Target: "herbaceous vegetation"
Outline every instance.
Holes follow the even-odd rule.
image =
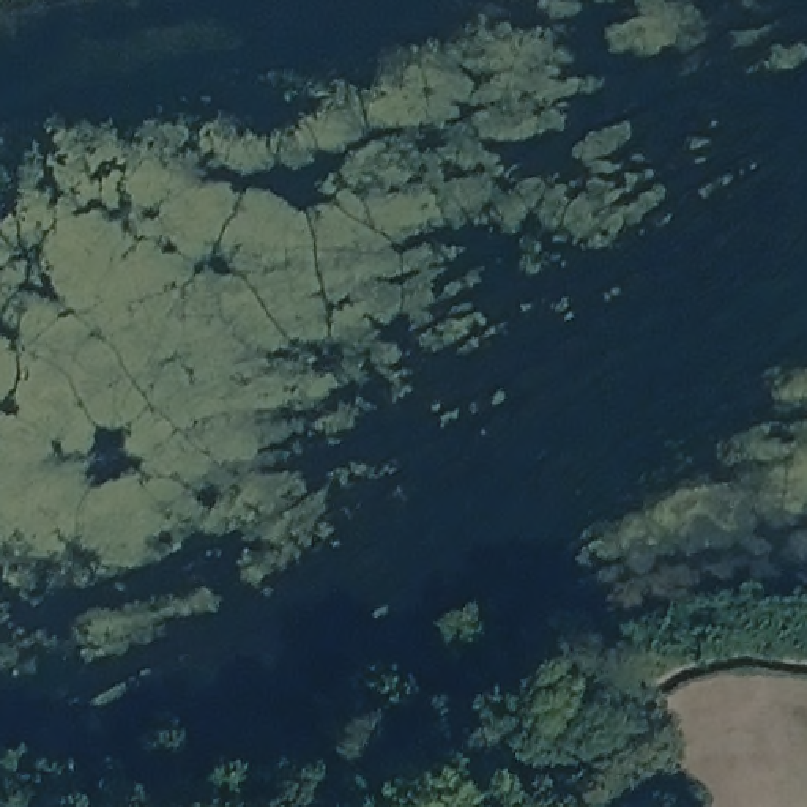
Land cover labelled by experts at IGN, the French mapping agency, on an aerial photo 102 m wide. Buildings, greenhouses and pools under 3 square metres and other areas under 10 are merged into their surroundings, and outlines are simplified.
[[[189,596],[151,596],[117,612],[95,608],[79,615],[73,627],[60,637],[50,637],[44,630],[32,634],[19,627],[9,618],[9,608],[0,602],[0,671],[13,678],[35,675],[38,662],[50,653],[63,659],[120,656],[129,646],[183,634],[189,624],[186,615],[218,612],[218,596],[211,589],[195,589]]]
[[[252,583],[258,596],[271,596],[268,574],[284,571],[290,561],[299,561],[303,555],[309,555],[312,539],[325,539],[331,533],[325,501],[334,492],[350,485],[350,479],[356,476],[385,479],[397,473],[397,463],[347,463],[340,470],[328,470],[325,485],[318,492],[309,492],[299,473],[262,476],[255,467],[299,457],[303,438],[315,432],[325,432],[328,444],[340,444],[340,435],[356,426],[359,416],[372,413],[372,404],[359,397],[344,404],[334,391],[340,385],[385,378],[391,381],[394,404],[400,404],[410,394],[407,378],[400,378],[397,372],[400,347],[385,344],[372,325],[391,322],[394,315],[407,315],[410,337],[419,337],[419,344],[429,350],[448,347],[451,353],[473,353],[479,347],[489,347],[492,337],[504,334],[504,322],[489,322],[473,303],[460,303],[457,296],[460,290],[479,284],[476,271],[432,293],[432,281],[448,268],[448,262],[457,258],[457,249],[438,246],[432,230],[501,224],[501,230],[511,233],[520,246],[520,271],[539,274],[545,268],[564,268],[577,246],[615,246],[621,227],[634,227],[649,208],[656,208],[665,199],[665,189],[659,186],[643,192],[634,205],[612,211],[612,202],[630,192],[637,180],[653,180],[649,167],[627,173],[621,186],[605,183],[605,173],[615,170],[612,151],[630,139],[630,123],[615,123],[599,132],[589,132],[574,148],[574,154],[589,167],[586,192],[580,199],[567,199],[564,186],[555,186],[539,177],[523,180],[511,192],[492,186],[495,177],[501,177],[504,164],[498,161],[498,154],[485,151],[485,139],[517,142],[539,132],[564,129],[567,98],[602,88],[602,79],[593,76],[558,82],[558,69],[571,63],[571,54],[564,47],[555,47],[555,41],[567,35],[574,22],[571,16],[577,16],[580,6],[589,0],[530,0],[539,9],[545,9],[536,28],[514,28],[504,9],[485,3],[476,22],[467,22],[451,41],[426,41],[385,50],[378,57],[378,82],[372,88],[356,88],[344,79],[318,82],[312,88],[312,98],[318,98],[322,104],[318,113],[303,117],[299,126],[284,126],[271,136],[240,136],[233,117],[211,120],[202,129],[189,129],[186,123],[145,120],[139,126],[136,145],[123,145],[113,129],[91,123],[60,129],[54,136],[57,148],[50,154],[41,154],[38,145],[25,151],[16,211],[0,221],[0,574],[9,586],[19,589],[19,599],[25,599],[28,589],[35,589],[38,561],[50,555],[57,567],[47,577],[47,586],[54,593],[66,586],[95,586],[101,580],[107,589],[120,593],[126,589],[123,574],[129,567],[170,558],[195,533],[236,530],[243,533],[243,539],[274,542],[271,552],[243,552],[240,558],[243,580]],[[337,151],[344,167],[337,173],[328,173],[328,180],[322,183],[325,202],[303,211],[271,192],[233,192],[227,183],[205,183],[199,173],[199,158],[205,151],[214,151],[221,167],[252,173],[268,170],[274,164],[312,164],[315,151],[322,148]],[[113,482],[95,485],[88,479],[88,467],[104,463],[101,454],[91,448],[98,429],[123,429],[126,454],[139,457],[142,467]]]
[[[709,807],[807,807],[807,678],[769,671],[725,671],[690,681],[668,697],[668,712],[675,716],[684,734],[684,772],[709,791]]]
[[[684,50],[706,41],[706,19],[694,6],[697,0],[637,0],[637,19],[612,25],[608,47],[643,57],[659,54],[662,47]]]
[[[668,498],[662,498],[653,511],[630,514],[618,523],[593,523],[580,533],[583,545],[577,555],[583,571],[605,583],[618,580],[627,571],[649,571],[653,561],[662,555],[694,555],[703,549],[725,545],[738,545],[750,555],[807,558],[807,369],[772,366],[763,372],[763,385],[772,391],[775,407],[760,426],[722,438],[716,444],[716,457],[731,467],[731,482],[678,489]]]
[[[807,60],[807,44],[775,47],[772,57],[766,57],[766,69],[794,69]]]

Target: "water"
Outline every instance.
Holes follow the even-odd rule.
[[[296,760],[303,769],[315,766],[328,747],[337,747],[347,738],[347,725],[353,722],[353,716],[340,703],[340,697],[353,690],[353,675],[366,671],[369,665],[385,665],[391,675],[410,678],[416,684],[413,697],[407,703],[397,703],[391,716],[381,722],[381,744],[394,753],[448,750],[451,757],[457,757],[460,744],[470,741],[476,728],[482,728],[473,709],[476,697],[489,697],[492,690],[517,694],[523,678],[539,675],[539,665],[558,659],[561,643],[577,643],[583,630],[602,634],[605,640],[621,640],[621,627],[630,621],[665,615],[678,602],[687,602],[694,596],[712,596],[722,589],[738,589],[741,583],[760,583],[769,596],[807,596],[807,558],[750,555],[738,545],[725,545],[703,549],[694,555],[662,555],[653,561],[649,571],[627,571],[618,580],[605,583],[583,571],[577,555],[583,545],[580,533],[593,523],[618,523],[630,514],[653,511],[662,498],[668,498],[678,489],[731,482],[731,467],[716,457],[716,444],[722,438],[760,426],[775,407],[772,391],[763,385],[763,372],[772,366],[807,369],[807,60],[794,69],[766,69],[766,57],[772,57],[775,47],[807,44],[807,0],[697,0],[694,6],[706,19],[706,41],[684,50],[662,47],[659,54],[643,57],[608,47],[612,25],[637,19],[637,0],[589,0],[580,6],[577,16],[571,16],[574,22],[567,35],[555,41],[555,47],[564,47],[571,54],[571,63],[558,69],[558,82],[593,76],[602,79],[602,88],[567,98],[564,129],[539,132],[517,142],[485,139],[485,151],[498,154],[498,161],[504,164],[501,177],[495,177],[492,186],[511,192],[523,180],[539,177],[555,186],[564,186],[567,199],[580,199],[586,192],[589,167],[574,154],[574,148],[589,132],[599,132],[615,123],[630,123],[630,139],[612,151],[615,170],[605,173],[605,183],[621,186],[627,173],[649,167],[653,180],[637,180],[630,192],[612,202],[612,211],[634,205],[643,192],[659,186],[665,189],[665,199],[656,208],[649,208],[634,227],[621,227],[615,246],[577,246],[564,268],[545,268],[539,274],[520,271],[520,246],[511,233],[501,230],[501,224],[432,230],[438,246],[457,249],[457,258],[448,262],[448,268],[432,281],[432,293],[476,271],[479,284],[460,290],[457,296],[460,303],[473,303],[489,322],[504,322],[504,334],[492,337],[489,347],[479,347],[473,353],[451,353],[448,347],[429,350],[419,344],[419,337],[410,337],[407,315],[394,315],[391,322],[372,325],[385,344],[400,347],[397,372],[400,378],[407,378],[410,394],[400,404],[394,404],[391,381],[385,378],[340,385],[334,391],[344,404],[359,397],[372,404],[372,413],[359,416],[356,426],[340,435],[340,444],[328,444],[325,432],[315,432],[303,438],[299,457],[255,467],[262,476],[299,473],[309,492],[318,492],[325,485],[328,470],[340,470],[347,463],[397,463],[397,473],[385,479],[356,476],[350,479],[350,485],[334,492],[325,501],[331,533],[325,539],[312,539],[309,555],[303,555],[299,561],[290,561],[284,571],[268,574],[271,596],[258,596],[252,583],[243,580],[240,558],[243,552],[271,552],[274,542],[243,539],[243,533],[236,530],[195,533],[170,558],[129,567],[123,574],[126,589],[120,593],[107,589],[101,580],[95,586],[66,586],[54,593],[47,586],[47,577],[57,567],[50,555],[38,561],[35,589],[28,589],[25,599],[19,599],[19,589],[9,586],[0,574],[0,602],[9,608],[9,618],[19,627],[32,634],[44,630],[50,637],[60,637],[73,627],[79,615],[95,608],[117,612],[151,596],[189,596],[195,589],[211,589],[218,596],[218,612],[186,615],[189,624],[183,634],[129,646],[120,656],[63,659],[50,653],[38,662],[35,675],[13,678],[0,671],[0,760],[13,747],[28,747],[41,760],[54,763],[73,760],[82,791],[88,785],[101,785],[110,791],[123,785],[145,785],[151,807],[192,807],[211,801],[211,772],[218,766],[271,766],[281,757],[287,757]],[[451,612],[463,612],[467,605],[476,605],[482,634],[476,634],[473,640],[444,640],[441,621]]]
[[[322,183],[328,180],[328,173],[337,173],[344,167],[337,151],[322,148],[315,151],[312,164],[274,164],[268,170],[252,173],[221,167],[214,151],[205,151],[199,158],[199,173],[205,183],[227,183],[233,192],[271,192],[303,211],[325,202]]]
[[[240,136],[271,136],[284,126],[299,126],[303,117],[318,113],[322,104],[318,98],[312,98],[312,88],[318,82],[344,79],[356,88],[372,88],[378,82],[378,57],[385,50],[426,41],[451,41],[467,22],[476,22],[485,3],[504,9],[514,28],[536,28],[545,9],[539,9],[530,0],[0,0],[0,221],[16,211],[25,151],[38,145],[41,154],[50,154],[57,148],[54,136],[60,129],[91,123],[113,129],[123,145],[136,145],[139,126],[145,120],[186,123],[189,129],[202,129],[211,120],[233,117]]]
[[[98,429],[91,448],[101,454],[104,463],[88,467],[88,479],[95,485],[113,482],[142,467],[139,457],[126,454],[123,429]]]

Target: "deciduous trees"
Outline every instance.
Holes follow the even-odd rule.
[[[668,712],[668,697],[662,694],[662,684],[671,675],[709,662],[747,656],[807,665],[807,596],[769,596],[760,583],[741,583],[738,589],[722,589],[712,596],[694,596],[687,602],[678,602],[665,615],[630,621],[621,627],[621,640],[605,640],[602,634],[583,630],[577,643],[561,643],[558,659],[539,665],[539,675],[523,678],[517,694],[492,690],[489,697],[476,697],[473,709],[482,728],[476,728],[470,741],[460,744],[457,757],[451,757],[448,750],[394,753],[381,744],[381,722],[391,716],[397,703],[407,703],[413,697],[416,684],[410,678],[391,675],[385,665],[369,665],[366,671],[353,675],[353,690],[340,697],[340,703],[353,716],[353,722],[347,725],[347,738],[337,747],[328,747],[315,766],[303,769],[296,760],[287,757],[281,757],[271,766],[218,766],[211,772],[211,801],[192,807],[709,807],[709,791],[684,772],[684,734],[675,716]]]
[[[145,785],[123,785],[110,791],[101,785],[88,785],[82,791],[73,760],[54,763],[41,760],[28,747],[13,747],[0,760],[0,807],[151,807]]]
[[[463,612],[451,612],[441,621],[444,640],[473,640],[476,634],[482,634],[476,605],[467,605]]]

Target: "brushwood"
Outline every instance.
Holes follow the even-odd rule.
[[[671,675],[662,684],[662,694],[668,697],[690,681],[725,671],[769,671],[807,678],[807,665],[747,656],[709,662]]]

